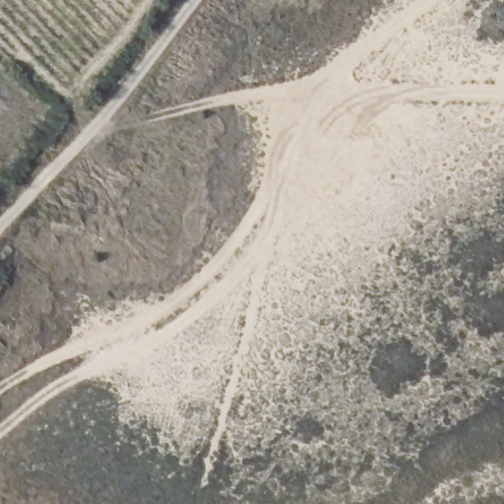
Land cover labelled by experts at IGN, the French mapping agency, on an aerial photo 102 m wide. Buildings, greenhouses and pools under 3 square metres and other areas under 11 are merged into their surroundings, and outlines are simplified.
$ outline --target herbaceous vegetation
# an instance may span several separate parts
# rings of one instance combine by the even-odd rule
[[[35,488],[30,488],[30,500],[18,498],[18,494],[4,492],[2,474],[4,469],[10,469],[10,463],[14,461],[14,447],[26,443],[26,431],[45,431],[49,427],[49,419],[59,417],[63,398],[59,396],[51,398],[41,408],[35,409],[30,417],[26,417],[16,429],[12,429],[6,437],[0,439],[0,504],[61,504],[59,494],[51,490],[43,492],[43,496],[37,498]]]
[[[425,187],[425,191],[421,191],[421,201],[415,205],[415,209],[421,213],[421,219],[415,220],[413,215],[408,213],[406,217],[398,220],[394,228],[382,230],[382,236],[378,240],[370,240],[368,246],[354,248],[354,258],[346,264],[335,258],[333,252],[319,252],[315,266],[311,264],[309,256],[303,256],[299,266],[301,270],[313,274],[313,280],[305,283],[303,289],[295,289],[287,285],[287,282],[282,282],[282,315],[266,315],[264,307],[258,305],[252,333],[254,339],[248,343],[248,360],[242,364],[236,396],[232,398],[228,417],[236,421],[246,421],[248,417],[254,417],[256,421],[260,421],[260,427],[250,429],[246,435],[234,435],[234,443],[230,447],[226,445],[226,441],[220,441],[217,463],[232,467],[230,486],[220,488],[220,496],[230,496],[232,500],[242,498],[242,494],[236,494],[236,486],[240,480],[248,480],[246,490],[250,492],[256,492],[262,484],[266,484],[276,498],[285,492],[287,486],[303,484],[307,494],[305,500],[287,504],[354,504],[390,490],[390,484],[398,476],[400,467],[388,461],[390,457],[396,455],[402,459],[417,459],[421,449],[429,445],[429,435],[437,427],[455,427],[461,419],[471,417],[474,413],[476,398],[482,396],[488,404],[496,404],[496,398],[492,394],[504,392],[504,335],[494,333],[492,337],[480,337],[476,329],[465,325],[465,321],[451,321],[451,333],[459,346],[449,356],[445,356],[445,360],[441,360],[435,354],[443,345],[437,343],[435,333],[441,325],[441,311],[425,311],[425,307],[427,299],[435,297],[443,299],[449,307],[457,307],[463,301],[461,297],[449,295],[449,285],[461,276],[461,268],[449,266],[447,262],[451,244],[447,238],[449,228],[457,232],[457,236],[463,242],[482,236],[486,228],[494,232],[496,242],[504,240],[504,126],[492,122],[494,110],[488,110],[486,118],[476,114],[478,120],[484,120],[484,126],[474,126],[471,118],[465,116],[461,128],[469,128],[472,136],[461,138],[459,142],[467,144],[467,152],[459,152],[455,156],[459,161],[453,161],[453,165],[447,163],[449,154],[443,154],[443,167],[449,171],[449,175],[445,177],[445,181],[431,181],[431,185]],[[396,256],[396,274],[402,278],[402,282],[360,285],[360,278],[368,276],[374,264],[388,260],[390,244],[400,244],[400,254]],[[333,348],[305,343],[303,346],[295,345],[295,339],[305,339],[305,335],[311,333],[315,323],[333,323]],[[370,364],[376,356],[378,343],[392,343],[396,339],[408,339],[419,354],[425,354],[425,364],[421,380],[417,380],[415,384],[409,382],[406,388],[400,390],[400,394],[390,398],[384,396],[370,380]]]
[[[478,282],[480,295],[490,295],[492,291],[504,289],[504,266],[502,270],[488,272],[488,278]]]
[[[146,120],[157,108],[183,104],[189,100],[183,96],[185,87],[189,87],[195,81],[205,83],[213,75],[213,69],[222,63],[224,55],[213,47],[211,41],[189,37],[185,43],[181,43],[175,37],[169,41],[165,51],[159,55],[154,67],[136,87],[132,96],[116,110],[112,122],[102,130],[106,138],[91,140],[63,167],[63,171],[55,179],[49,181],[49,185],[33,199],[30,207],[0,236],[0,382],[12,376],[14,372],[20,372],[37,358],[65,345],[71,339],[73,327],[87,319],[98,307],[102,311],[114,311],[118,301],[122,299],[144,301],[148,305],[154,305],[157,301],[163,301],[167,293],[173,293],[179,285],[191,282],[191,278],[199,274],[226,244],[226,240],[232,236],[240,220],[248,213],[250,205],[254,203],[256,195],[250,193],[248,185],[234,191],[220,191],[219,197],[213,203],[209,203],[207,199],[207,169],[211,163],[207,154],[215,148],[213,138],[222,132],[222,122],[213,116],[211,108],[203,112],[191,112],[185,116],[169,118],[157,122],[156,126],[146,126]]]
[[[20,408],[43,386],[75,370],[85,360],[81,356],[67,358],[59,364],[53,364],[33,374],[28,380],[20,382],[18,386],[10,388],[0,396],[0,421],[6,419],[14,409]]]
[[[256,16],[258,22],[268,20],[272,10],[321,10],[323,4],[319,0],[248,0],[244,6],[248,8],[248,12]]]
[[[242,106],[236,106],[238,126],[242,132],[234,138],[234,142],[240,144],[240,165],[250,173],[252,167],[256,167],[256,159],[264,157],[264,152],[256,148],[256,142],[262,134],[260,130],[254,130],[256,116],[242,112]]]
[[[242,77],[244,89],[258,89],[266,85],[303,79],[321,69],[323,65],[327,65],[327,61],[331,61],[335,55],[339,55],[341,47],[333,49],[331,45],[325,45],[307,51],[295,47],[297,57],[293,59],[285,59],[280,63],[262,63],[262,69],[250,67],[250,73]]]
[[[85,108],[85,94],[73,96],[71,100],[77,126],[81,128],[85,128],[96,114],[93,110]]]
[[[459,472],[455,478],[439,482],[437,488],[419,504],[504,504],[504,467],[486,463],[480,471]]]
[[[213,398],[213,402],[195,402],[191,396],[183,396],[177,402],[177,409],[171,415],[167,415],[165,404],[161,402],[134,402],[138,392],[142,390],[138,376],[128,376],[122,370],[112,370],[110,376],[102,380],[118,390],[120,423],[116,425],[116,445],[134,445],[136,457],[157,451],[157,441],[177,441],[179,445],[191,447],[193,459],[197,457],[205,463],[211,445],[195,443],[199,441],[199,433],[207,433],[211,429],[211,413],[215,408],[222,408],[230,380],[220,380],[219,396]]]

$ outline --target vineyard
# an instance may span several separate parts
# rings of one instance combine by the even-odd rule
[[[71,87],[75,83],[75,77],[81,75],[85,65],[91,61],[91,57],[100,49],[104,49],[118,35],[118,31],[128,24],[140,0],[0,0],[0,47],[28,63],[30,57],[35,57],[39,65],[47,69],[49,75],[55,77],[63,87]]]

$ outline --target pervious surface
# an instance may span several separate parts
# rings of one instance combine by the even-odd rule
[[[41,408],[51,398],[59,396],[61,392],[77,386],[83,380],[102,380],[110,376],[112,370],[122,370],[128,376],[138,376],[142,390],[138,392],[134,402],[161,402],[165,404],[167,415],[171,415],[177,409],[177,402],[183,396],[191,396],[195,402],[213,402],[213,398],[219,396],[220,380],[230,380],[222,408],[215,408],[211,413],[211,429],[207,433],[199,433],[199,441],[195,443],[211,445],[205,463],[201,486],[209,484],[209,476],[217,463],[220,441],[226,441],[226,445],[230,447],[234,443],[234,435],[246,435],[250,429],[260,427],[260,421],[256,421],[254,417],[248,417],[246,421],[236,421],[228,417],[232,398],[236,396],[242,364],[248,360],[248,343],[254,339],[252,333],[258,305],[264,307],[266,315],[282,315],[282,282],[287,282],[287,285],[295,289],[303,289],[305,283],[313,280],[313,274],[301,270],[299,266],[303,256],[309,256],[311,264],[315,266],[319,252],[333,252],[335,258],[346,264],[354,258],[354,248],[368,246],[370,240],[378,240],[382,236],[382,230],[394,228],[398,220],[406,217],[408,213],[413,215],[415,220],[421,219],[421,213],[415,209],[415,205],[421,201],[421,191],[425,191],[425,187],[431,185],[431,181],[445,181],[445,177],[449,175],[449,171],[443,167],[443,154],[449,154],[447,163],[453,165],[453,161],[459,161],[455,156],[459,152],[467,152],[467,144],[459,142],[461,138],[472,136],[469,128],[461,128],[465,116],[471,118],[474,126],[484,126],[484,120],[478,120],[476,114],[486,118],[488,110],[494,110],[492,122],[504,126],[504,39],[478,41],[478,28],[482,24],[482,16],[490,14],[488,0],[382,0],[378,12],[366,20],[358,39],[341,47],[339,55],[335,55],[331,61],[327,61],[327,65],[323,65],[321,69],[303,79],[266,85],[258,89],[244,89],[189,100],[183,104],[157,108],[146,120],[146,126],[156,126],[157,122],[169,118],[185,116],[191,112],[203,112],[211,108],[226,104],[236,106],[242,106],[242,112],[256,116],[254,130],[260,130],[262,134],[256,142],[256,148],[264,152],[264,157],[256,159],[256,167],[252,167],[250,173],[248,185],[250,193],[256,195],[254,203],[250,205],[248,213],[240,220],[232,236],[226,240],[226,244],[199,274],[191,278],[191,282],[179,285],[173,293],[167,293],[163,301],[157,301],[154,305],[148,305],[144,301],[122,299],[118,301],[114,311],[102,311],[98,307],[87,319],[73,327],[71,339],[65,345],[37,358],[20,372],[14,372],[12,376],[0,382],[0,396],[10,388],[18,386],[20,382],[28,380],[33,374],[53,364],[59,364],[67,358],[81,356],[85,360],[75,370],[43,386],[20,408],[14,409],[6,419],[0,421],[0,439],[6,437],[12,429],[16,429],[26,417],[30,417],[35,409]],[[437,100],[453,98],[490,102],[488,106],[439,106]]]
[[[179,445],[177,441],[157,441],[157,451],[159,455],[177,457],[181,467],[191,465],[193,459],[191,447]]]
[[[305,343],[333,348],[333,323],[315,323],[311,333],[305,335],[305,339],[295,339],[295,345],[303,346]]]
[[[85,128],[81,128],[75,140],[67,148],[63,148],[63,152],[51,163],[41,167],[33,177],[30,187],[26,187],[16,199],[16,203],[0,215],[0,236],[30,207],[33,199],[49,185],[49,181],[55,179],[63,171],[63,167],[91,140],[106,138],[102,130],[112,122],[116,110],[132,96],[136,87],[154,67],[159,55],[165,51],[169,41],[175,37],[187,22],[187,18],[197,10],[195,0],[185,0],[173,16],[169,28],[163,30],[150,49],[146,49],[144,57],[136,63],[134,73],[126,77],[118,96],[108,100],[96,114]]]
[[[396,256],[400,254],[400,244],[390,244],[388,260],[374,264],[368,276],[360,278],[360,285],[402,282],[402,278],[396,274]]]

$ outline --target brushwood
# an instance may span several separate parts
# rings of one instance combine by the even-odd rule
[[[376,356],[370,364],[370,380],[384,396],[390,398],[400,394],[400,390],[406,388],[409,382],[415,384],[417,380],[421,380],[425,364],[425,354],[419,354],[408,339],[396,339],[392,343],[378,343]]]
[[[53,91],[51,85],[47,85],[39,75],[35,75],[35,71],[28,63],[0,47],[0,69],[6,69],[6,73],[14,75],[14,79],[18,79],[24,89],[28,89],[41,102],[49,104],[45,120],[35,124],[33,136],[26,138],[26,156],[18,157],[12,167],[0,169],[0,215],[16,203],[16,199],[26,187],[30,187],[33,177],[41,167],[51,163],[63,152],[63,148],[67,148],[75,140],[81,128],[77,126],[71,100]]]
[[[250,67],[262,69],[262,63],[280,63],[285,59],[293,59],[297,57],[295,47],[307,51],[325,45],[331,45],[333,49],[341,47],[358,39],[366,20],[378,12],[382,0],[319,0],[323,4],[321,10],[272,10],[268,20],[258,22],[256,16],[248,12],[248,8],[244,6],[248,0],[195,0],[197,10],[187,18],[187,22],[175,37],[181,43],[185,43],[189,37],[211,41],[213,47],[224,55],[222,63],[213,69],[213,75],[205,83],[195,81],[189,87],[185,87],[183,96],[189,100],[244,89],[242,77],[250,73]]]
[[[486,463],[504,467],[504,392],[492,394],[496,398],[496,404],[488,404],[482,396],[476,398],[474,413],[471,417],[461,419],[455,427],[437,427],[429,435],[429,445],[421,449],[417,459],[402,459],[396,455],[390,457],[388,461],[400,467],[398,476],[390,484],[390,490],[354,504],[419,504],[437,488],[439,482],[455,478],[459,472],[480,471]]]
[[[30,500],[30,488],[35,488],[37,498],[43,496],[43,492],[51,490],[59,494],[61,504],[287,504],[305,500],[307,494],[303,484],[287,486],[285,492],[276,498],[266,484],[262,484],[256,492],[250,492],[246,490],[248,480],[240,480],[236,486],[236,494],[242,494],[242,498],[232,500],[230,496],[220,496],[220,488],[230,486],[232,467],[217,463],[209,476],[209,484],[201,486],[205,463],[197,457],[193,459],[191,465],[181,467],[177,457],[159,455],[157,451],[136,457],[134,445],[116,445],[116,425],[120,423],[118,390],[102,380],[83,380],[77,386],[61,392],[59,396],[63,398],[59,417],[49,419],[49,427],[45,431],[26,431],[26,443],[14,447],[14,461],[10,463],[10,469],[4,469],[2,474],[4,492],[18,494],[18,498]]]
[[[213,203],[219,197],[220,191],[234,191],[248,185],[250,173],[240,165],[240,144],[234,142],[234,138],[242,132],[238,126],[236,106],[226,104],[211,108],[213,116],[222,122],[222,132],[213,138],[215,148],[207,154],[211,163],[207,169],[207,199],[209,203]]]
[[[482,24],[478,28],[478,41],[504,39],[504,0],[488,0],[490,14],[482,16]]]
[[[504,335],[504,289],[492,291],[490,295],[480,295],[478,282],[488,278],[488,272],[502,270],[504,266],[504,240],[496,242],[494,232],[486,228],[482,236],[463,242],[457,236],[457,232],[449,228],[447,238],[451,244],[447,262],[449,266],[461,268],[461,276],[449,285],[449,295],[461,297],[463,301],[457,307],[449,307],[443,299],[435,297],[427,299],[425,307],[425,311],[441,311],[441,325],[435,333],[437,343],[443,345],[435,354],[441,360],[445,360],[445,356],[449,356],[459,346],[451,333],[451,321],[465,321],[465,325],[476,329],[480,337],[492,337],[494,333]]]
[[[89,94],[85,94],[85,108],[93,110],[96,114],[108,100],[118,96],[126,77],[134,73],[136,63],[144,57],[146,49],[150,49],[163,30],[169,28],[173,16],[185,0],[150,0],[152,10],[144,14],[132,39],[112,57],[112,61],[104,69],[100,69],[94,75],[94,87]]]
[[[439,106],[488,106],[490,102],[453,98],[437,100]]]

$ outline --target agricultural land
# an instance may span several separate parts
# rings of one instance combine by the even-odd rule
[[[41,102],[28,89],[24,89],[18,79],[14,79],[14,75],[6,73],[6,69],[0,69],[0,169],[12,167],[18,157],[26,156],[26,138],[33,136],[35,124],[45,120],[49,104]]]

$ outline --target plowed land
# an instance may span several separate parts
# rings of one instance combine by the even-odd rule
[[[140,0],[128,24],[118,31],[118,35],[104,49],[100,49],[91,57],[91,61],[85,65],[81,75],[75,77],[75,83],[71,87],[63,87],[55,77],[49,75],[47,69],[39,65],[35,57],[30,57],[28,63],[35,71],[35,75],[39,75],[47,85],[51,85],[53,91],[71,100],[73,96],[85,94],[89,94],[94,87],[94,75],[100,69],[104,69],[112,61],[112,57],[132,39],[144,14],[152,10],[150,0]]]

